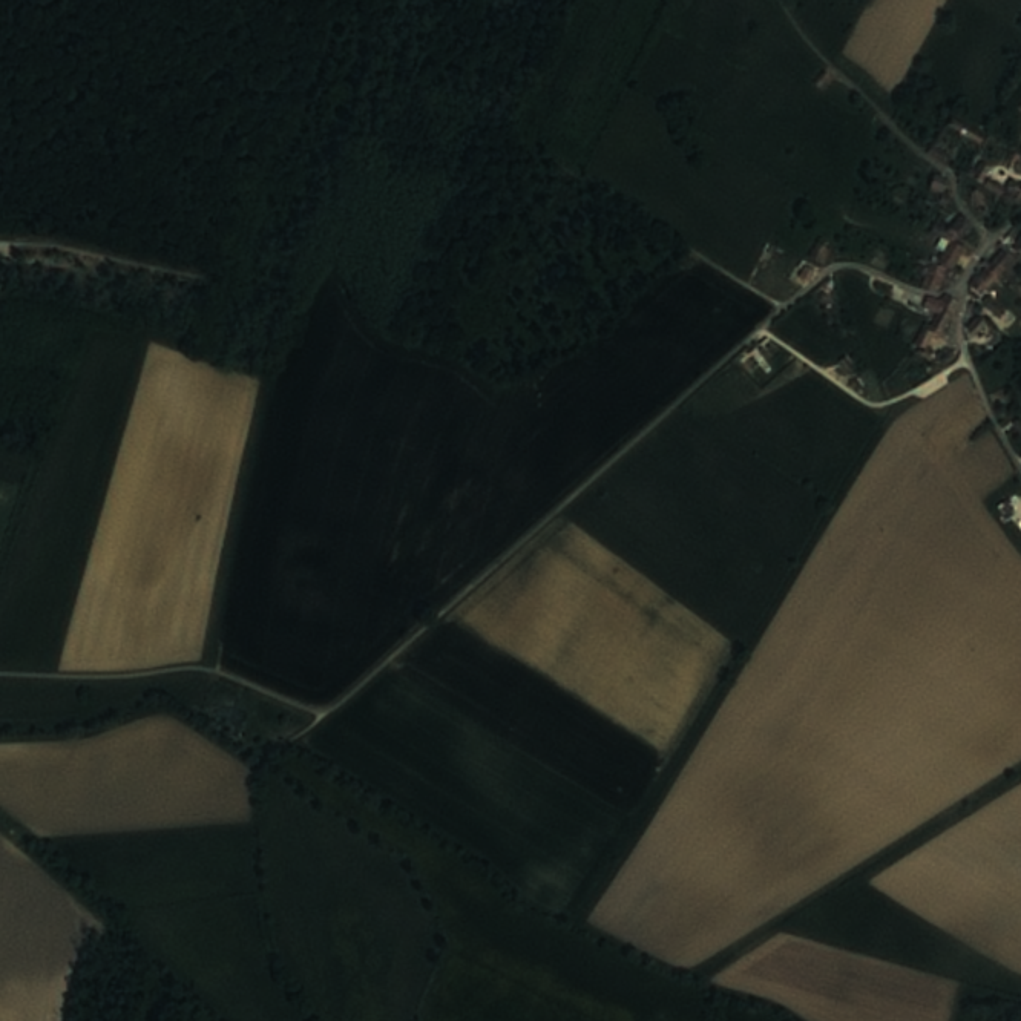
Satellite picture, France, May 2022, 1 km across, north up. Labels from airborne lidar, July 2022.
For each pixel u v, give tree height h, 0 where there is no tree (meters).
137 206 31
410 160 24
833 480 0
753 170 0
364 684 0
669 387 0
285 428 0
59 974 0
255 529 0
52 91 12
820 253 0
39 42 29
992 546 0
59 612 0
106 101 32
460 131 6
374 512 0
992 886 0
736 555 0
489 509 0
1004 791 0
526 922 0
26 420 6
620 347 0
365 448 0
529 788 0
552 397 0
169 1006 24
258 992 0
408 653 0
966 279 0
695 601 0
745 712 0
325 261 25
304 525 0
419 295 25
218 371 15
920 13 0
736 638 0
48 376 7
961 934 0
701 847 0
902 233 0
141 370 0
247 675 0
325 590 0
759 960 0
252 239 9
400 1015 0
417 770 0
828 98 0
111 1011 34
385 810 18
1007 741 0
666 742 0
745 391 0
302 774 0
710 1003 15
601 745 0
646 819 0
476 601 0
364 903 0
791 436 0
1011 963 0
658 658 0
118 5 28
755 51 0
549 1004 0
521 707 0
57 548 0
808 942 0
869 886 0
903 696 0
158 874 0
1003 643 0
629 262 7
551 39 30
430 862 0
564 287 34
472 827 0
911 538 0
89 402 0
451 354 23
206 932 0
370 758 0
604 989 0
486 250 33
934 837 0
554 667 0
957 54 0
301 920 0
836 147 0
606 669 0
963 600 0
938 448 0
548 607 0
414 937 0
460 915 0
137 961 29
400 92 21
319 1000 0
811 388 0
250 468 0
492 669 0
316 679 0
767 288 0
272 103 29
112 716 17
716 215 0
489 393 0
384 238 25
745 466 0
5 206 30
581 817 0
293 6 32
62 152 30
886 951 0
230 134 13
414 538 0
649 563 0
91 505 0
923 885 0
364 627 0
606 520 0
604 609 0
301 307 26
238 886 0
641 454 0
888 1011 0
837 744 0
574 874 0
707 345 0
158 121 33
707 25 0
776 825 0
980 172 0
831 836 0
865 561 0
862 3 9
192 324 8
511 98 31
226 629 0
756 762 0
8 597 0
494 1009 0
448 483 0
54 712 0
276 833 0
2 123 29
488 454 0
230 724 8
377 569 0
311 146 7
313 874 0
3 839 0
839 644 0
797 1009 0
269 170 9
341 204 26
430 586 0
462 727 0
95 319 8
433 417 0
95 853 0
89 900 8
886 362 0
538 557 0
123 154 32
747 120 0
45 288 21
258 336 29
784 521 0
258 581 0
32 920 0
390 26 27
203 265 30
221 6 32
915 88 12
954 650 0
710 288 0
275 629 0
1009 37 0
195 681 0
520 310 10
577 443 0
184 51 31
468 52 30
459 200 28
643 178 0
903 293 0
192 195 25
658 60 0
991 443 0
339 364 0
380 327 20
